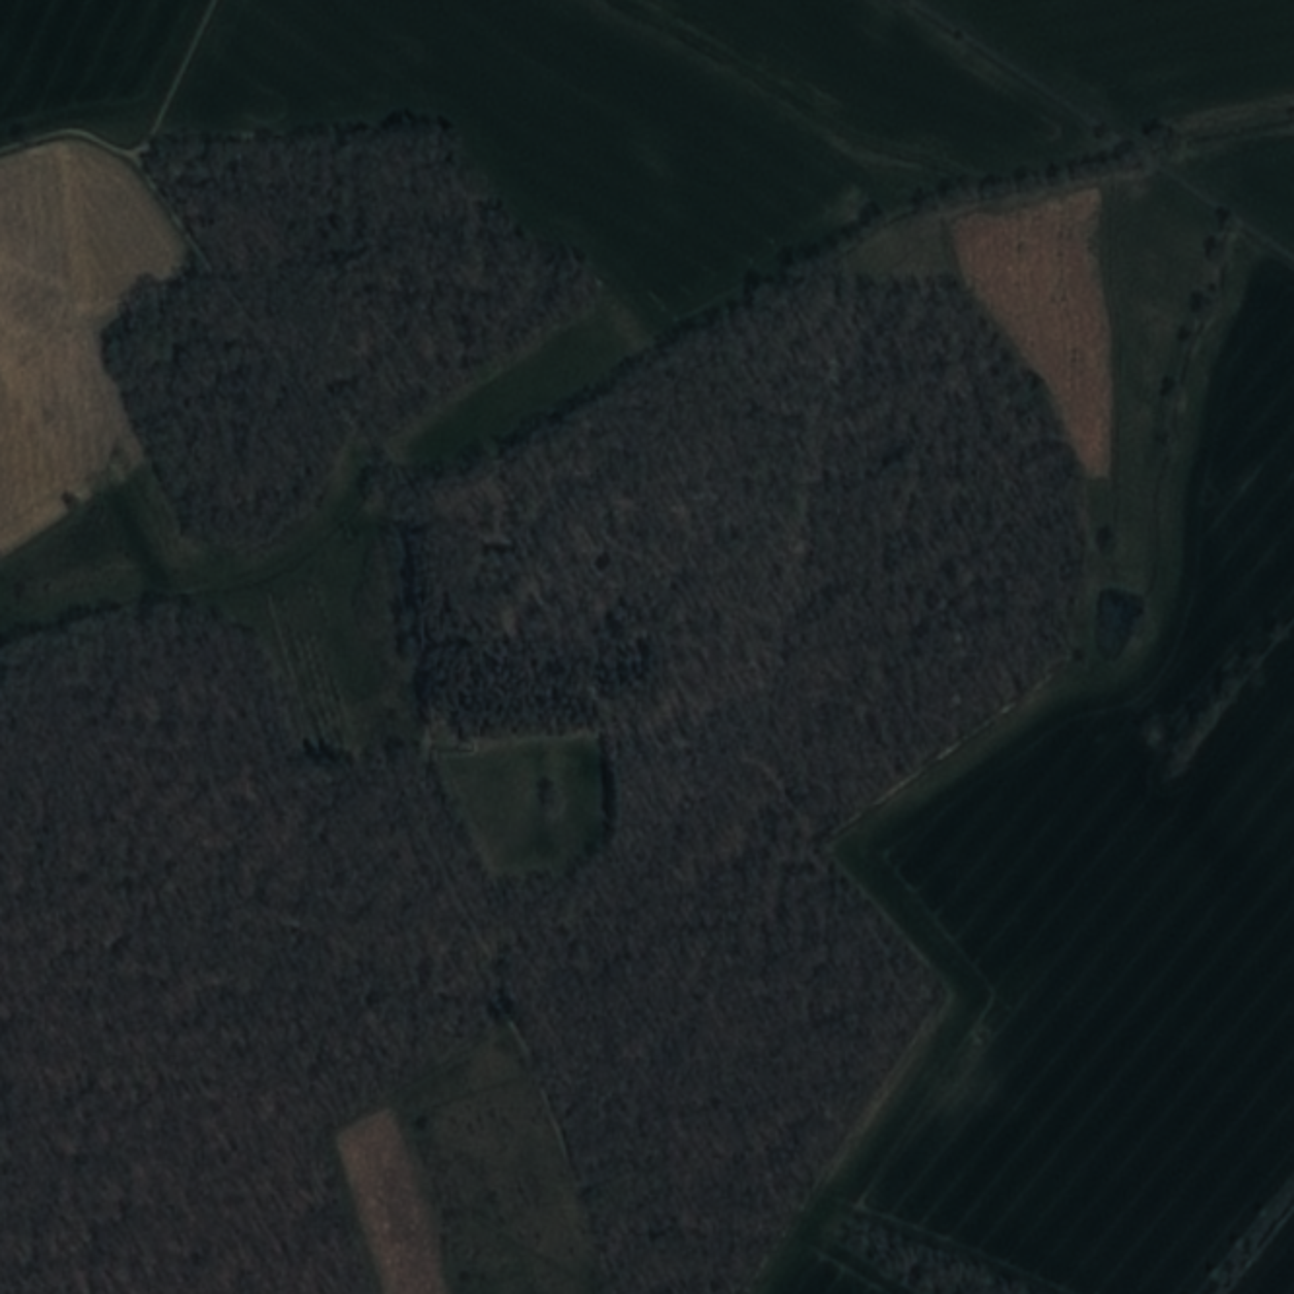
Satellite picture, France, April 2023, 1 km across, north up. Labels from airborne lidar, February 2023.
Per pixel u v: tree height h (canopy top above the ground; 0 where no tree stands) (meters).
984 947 0
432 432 0
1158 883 0
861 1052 22
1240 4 0
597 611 20
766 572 20
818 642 23
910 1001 17
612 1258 20
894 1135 0
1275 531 0
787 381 13
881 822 0
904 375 22
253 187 22
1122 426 0
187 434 21
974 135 0
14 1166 14
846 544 23
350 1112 16
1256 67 0
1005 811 0
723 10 0
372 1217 0
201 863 17
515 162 0
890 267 0
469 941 19
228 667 21
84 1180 19
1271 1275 0
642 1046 23
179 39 0
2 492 0
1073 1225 0
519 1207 0
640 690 24
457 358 21
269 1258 20
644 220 0
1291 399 0
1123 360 0
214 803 24
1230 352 0
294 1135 19
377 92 0
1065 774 0
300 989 18
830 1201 0
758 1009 19
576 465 17
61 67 0
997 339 9
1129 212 0
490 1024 15
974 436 25
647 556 23
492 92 0
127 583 0
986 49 0
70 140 0
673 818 20
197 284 19
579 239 0
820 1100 21
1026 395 20
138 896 20
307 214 24
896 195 0
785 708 21
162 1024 18
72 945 16
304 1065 20
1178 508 0
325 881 23
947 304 19
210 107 0
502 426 0
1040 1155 0
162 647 19
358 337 25
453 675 22
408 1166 0
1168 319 0
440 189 23
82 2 0
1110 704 0
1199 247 0
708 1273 20
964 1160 0
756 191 0
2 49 0
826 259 19
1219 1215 0
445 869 21
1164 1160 0
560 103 0
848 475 22
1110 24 0
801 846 18
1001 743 0
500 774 0
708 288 0
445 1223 0
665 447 21
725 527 21
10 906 18
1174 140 19
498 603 23
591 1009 23
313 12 0
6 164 0
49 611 0
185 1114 20
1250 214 0
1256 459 0
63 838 16
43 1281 17
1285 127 0
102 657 21
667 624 20
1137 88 0
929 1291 19
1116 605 0
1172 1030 0
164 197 15
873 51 0
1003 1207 0
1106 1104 0
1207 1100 0
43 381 0
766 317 22
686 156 0
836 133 0
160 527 0
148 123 0
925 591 6
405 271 24
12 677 18
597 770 0
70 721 25
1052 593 27
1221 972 0
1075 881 0
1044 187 14
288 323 24
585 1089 18
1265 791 0
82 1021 19
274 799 25
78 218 0
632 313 0
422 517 26
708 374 23
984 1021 0
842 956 23
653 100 0
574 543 21
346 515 0
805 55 0
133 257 0
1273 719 0
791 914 20
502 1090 0
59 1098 21
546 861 0
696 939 18
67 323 0
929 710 22
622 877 19
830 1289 0
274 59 0
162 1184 15
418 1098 0
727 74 0
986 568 24
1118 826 0
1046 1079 0
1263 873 0
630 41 0
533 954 21
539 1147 0
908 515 13
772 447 24
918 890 0
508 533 10
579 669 23
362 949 18
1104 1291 0
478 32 0
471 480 24
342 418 22
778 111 0
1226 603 0
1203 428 0
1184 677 0
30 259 0
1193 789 0
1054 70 0
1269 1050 0
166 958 15
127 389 18
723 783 22
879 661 23
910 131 0
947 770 0
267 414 23
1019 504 15
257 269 23
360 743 0
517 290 22
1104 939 0
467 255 25
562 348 0
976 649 21
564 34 0
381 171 24
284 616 0
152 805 18
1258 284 0
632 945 21
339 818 17
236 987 15
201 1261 8
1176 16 0
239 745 25
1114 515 0
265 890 17
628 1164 19
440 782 18
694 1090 20
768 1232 12
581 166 0
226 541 21
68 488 0
